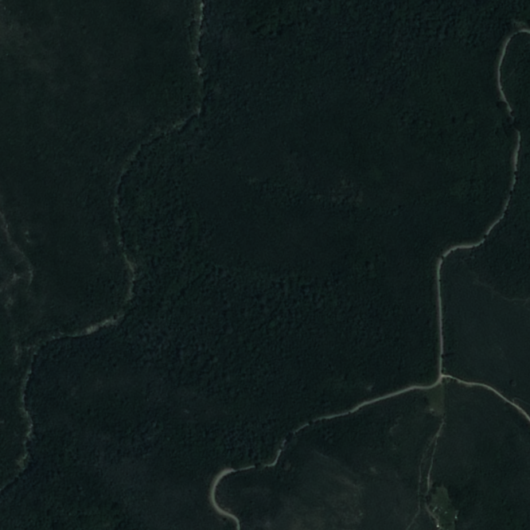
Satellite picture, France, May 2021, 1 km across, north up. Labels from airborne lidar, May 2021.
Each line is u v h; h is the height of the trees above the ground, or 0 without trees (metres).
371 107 6
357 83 17
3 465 8
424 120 12
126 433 13
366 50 18
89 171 8
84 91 6
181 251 14
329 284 18
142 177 10
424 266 6
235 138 8
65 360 11
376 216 7
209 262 10
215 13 9
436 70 6
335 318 11
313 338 8
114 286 18
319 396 8
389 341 12
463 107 7
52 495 9
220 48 9
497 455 8
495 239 9
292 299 13
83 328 8
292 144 6
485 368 0
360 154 6
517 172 10
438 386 0
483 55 6
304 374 9
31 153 7
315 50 11
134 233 9
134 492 9
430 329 7
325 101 10
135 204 10
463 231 6
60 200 6
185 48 7
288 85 12
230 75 9
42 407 7
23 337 7
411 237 6
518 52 6
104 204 14
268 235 6
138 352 10
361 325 14
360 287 9
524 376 0
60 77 6
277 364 9
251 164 6
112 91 7
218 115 11
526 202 7
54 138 6
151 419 15
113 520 6
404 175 6
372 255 7
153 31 6
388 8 10
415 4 15
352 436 6
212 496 0
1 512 11
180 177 10
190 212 19
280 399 9
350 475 0
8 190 6
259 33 18
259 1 24
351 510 0
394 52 17
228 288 9
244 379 13
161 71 6
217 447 13
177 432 17
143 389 8
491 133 7
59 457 12
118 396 17
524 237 9
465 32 15
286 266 8
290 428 9
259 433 8
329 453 6
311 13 16
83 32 11
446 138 13
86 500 10
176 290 7
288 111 9
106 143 8
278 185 7
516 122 14
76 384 6
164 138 14
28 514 6
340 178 7
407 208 6
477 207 6
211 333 9
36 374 13
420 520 0
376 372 7
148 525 6
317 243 7
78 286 6
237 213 6
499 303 0
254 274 8
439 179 5
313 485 0
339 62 11
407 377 6
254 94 7
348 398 6
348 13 15
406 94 11
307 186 9
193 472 7
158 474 6
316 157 6
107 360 9
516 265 7
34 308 6
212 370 17
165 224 17
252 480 6
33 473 18
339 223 6
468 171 6
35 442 20
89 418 9
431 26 12
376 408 6
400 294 6
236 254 9
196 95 9
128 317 13
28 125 7
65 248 5
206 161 13
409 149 7
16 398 12
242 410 10
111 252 7
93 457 11
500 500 7
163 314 9
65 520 9
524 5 15
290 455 8
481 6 22
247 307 10
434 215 6
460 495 13
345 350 7
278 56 14
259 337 10
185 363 15
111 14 6
